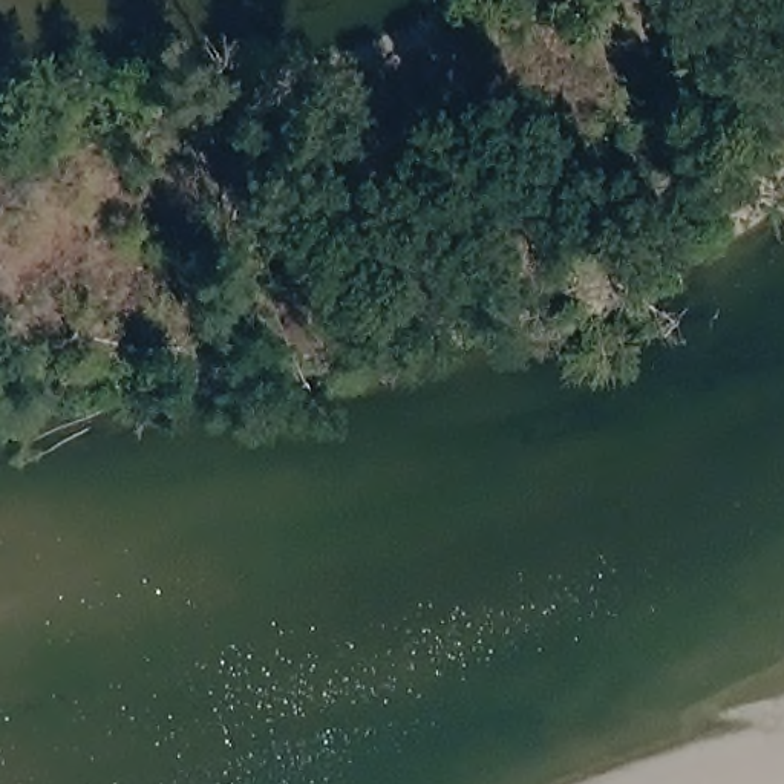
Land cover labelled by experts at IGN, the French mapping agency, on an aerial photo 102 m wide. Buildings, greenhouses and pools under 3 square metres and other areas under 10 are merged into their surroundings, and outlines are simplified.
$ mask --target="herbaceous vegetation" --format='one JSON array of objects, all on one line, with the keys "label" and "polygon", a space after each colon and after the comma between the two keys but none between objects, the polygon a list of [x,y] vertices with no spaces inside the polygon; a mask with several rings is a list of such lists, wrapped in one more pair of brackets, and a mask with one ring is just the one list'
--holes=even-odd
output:
[{"label": "herbaceous vegetation", "polygon": [[609,279],[603,276],[597,260],[579,257],[573,263],[573,273],[567,276],[564,294],[579,297],[579,303],[588,306],[588,312],[606,315],[619,294],[609,291]]},{"label": "herbaceous vegetation", "polygon": [[637,319],[646,343],[671,337],[677,331],[677,319],[655,306],[646,319]]},{"label": "herbaceous vegetation", "polygon": [[[165,172],[150,187],[147,224],[132,230],[129,236],[101,236],[98,208],[116,196],[119,181],[110,156],[98,156],[95,144],[80,147],[74,159],[67,156],[58,165],[49,162],[43,175],[46,181],[40,184],[25,184],[21,178],[0,184],[0,294],[9,297],[12,309],[12,315],[6,315],[6,331],[15,337],[28,334],[34,346],[46,343],[52,355],[89,355],[92,343],[116,346],[119,358],[129,364],[138,358],[138,349],[162,349],[165,343],[172,346],[172,352],[199,352],[196,404],[202,413],[211,417],[217,395],[224,395],[230,386],[230,374],[224,364],[224,352],[214,343],[196,349],[187,340],[187,322],[178,312],[175,270],[181,260],[190,260],[193,251],[202,248],[214,248],[221,254],[221,233],[211,233],[211,227],[202,221],[202,208],[214,205],[214,211],[224,214],[224,227],[230,233],[242,227],[236,217],[239,211],[227,193],[230,187],[248,184],[245,153],[233,150],[239,123],[260,123],[263,132],[279,129],[306,95],[325,92],[322,86],[331,64],[328,58],[309,58],[303,52],[294,52],[282,64],[282,74],[242,77],[239,83],[239,98],[230,101],[211,126],[205,123],[178,132],[178,144],[172,144],[172,153],[165,156]],[[141,266],[141,245],[147,236],[156,245],[162,245],[162,270],[156,276]]]},{"label": "herbaceous vegetation", "polygon": [[300,331],[312,291],[285,266],[285,257],[276,257],[270,263],[273,282],[279,288],[273,297],[266,297],[263,291],[254,294],[257,322],[288,346],[288,371],[300,380],[300,389],[309,392],[309,377],[322,374],[331,364],[334,349],[325,349],[325,334],[303,337]]},{"label": "herbaceous vegetation", "polygon": [[545,25],[527,31],[524,46],[515,46],[502,34],[490,37],[502,55],[505,70],[515,74],[521,86],[557,92],[554,113],[560,135],[573,141],[573,156],[591,178],[616,178],[625,172],[631,156],[619,150],[619,126],[628,119],[643,123],[640,150],[655,162],[658,113],[652,107],[652,77],[662,74],[662,64],[649,58],[649,37],[637,0],[622,0],[628,12],[628,28],[613,28],[609,46],[594,64],[576,58],[573,49],[557,37],[557,31]]},{"label": "herbaceous vegetation", "polygon": [[560,340],[536,340],[530,346],[530,358],[554,358],[564,364],[570,352],[582,352],[579,331]]}]

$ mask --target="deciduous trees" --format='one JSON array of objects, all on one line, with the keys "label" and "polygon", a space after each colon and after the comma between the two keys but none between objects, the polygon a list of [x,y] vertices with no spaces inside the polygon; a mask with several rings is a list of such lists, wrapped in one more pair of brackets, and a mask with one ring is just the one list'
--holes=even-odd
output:
[{"label": "deciduous trees", "polygon": [[31,74],[25,80],[12,77],[6,83],[6,92],[0,92],[0,184],[21,178],[25,184],[40,184],[46,181],[43,175],[49,162],[58,165],[67,156],[74,159],[80,147],[95,144],[98,156],[110,156],[119,181],[116,196],[98,208],[101,236],[129,236],[132,230],[147,224],[150,187],[165,172],[165,156],[172,153],[172,144],[178,144],[178,132],[205,123],[211,126],[230,101],[239,98],[239,83],[230,83],[221,67],[199,67],[187,52],[190,46],[181,40],[172,43],[162,55],[150,52],[144,61],[129,58],[123,64],[110,64],[95,49],[92,37],[80,37],[74,52],[31,61]]},{"label": "deciduous trees", "polygon": [[12,309],[9,297],[0,294],[0,450],[9,441],[15,441],[18,453],[12,466],[28,466],[34,462],[31,441],[40,438],[49,420],[92,420],[101,413],[123,426],[178,435],[187,429],[187,420],[196,404],[199,352],[172,352],[172,346],[165,343],[162,349],[138,349],[138,358],[129,364],[119,358],[116,346],[92,343],[89,355],[52,355],[46,343],[34,346],[28,334],[15,337],[6,331],[6,315],[12,315]]},{"label": "deciduous trees", "polygon": [[141,245],[141,266],[156,276],[162,270],[162,245],[156,245],[147,236]]},{"label": "deciduous trees", "polygon": [[[312,404],[309,392],[300,389],[300,380],[288,371],[288,346],[257,322],[254,294],[263,291],[266,297],[273,297],[279,288],[273,282],[270,263],[276,257],[285,257],[285,266],[312,291],[300,331],[303,337],[325,334],[325,349],[334,349],[331,364],[322,374],[331,383],[328,395],[361,395],[377,383],[417,386],[423,380],[441,380],[466,361],[466,349],[484,349],[499,371],[521,371],[530,358],[530,346],[536,340],[560,340],[579,331],[582,352],[570,352],[564,364],[564,377],[582,386],[603,386],[606,380],[631,383],[640,374],[640,349],[646,343],[637,319],[646,319],[655,306],[658,300],[683,294],[686,279],[695,266],[726,257],[732,242],[738,239],[732,230],[732,211],[747,205],[747,196],[756,196],[760,205],[772,205],[775,196],[784,193],[784,0],[637,0],[649,37],[649,58],[662,64],[662,74],[652,77],[652,107],[658,113],[655,162],[640,150],[643,123],[628,119],[619,126],[619,150],[631,156],[625,172],[616,178],[591,178],[573,156],[573,141],[560,135],[554,113],[557,92],[521,86],[508,92],[508,98],[499,98],[487,107],[441,110],[435,119],[423,119],[407,138],[407,150],[395,175],[383,184],[374,184],[374,172],[361,162],[361,135],[371,129],[371,92],[352,55],[343,52],[337,64],[331,64],[322,86],[325,92],[306,95],[279,129],[263,132],[260,123],[239,123],[233,150],[245,153],[248,184],[230,187],[227,193],[239,211],[236,217],[242,227],[230,233],[224,227],[224,214],[214,211],[214,205],[202,208],[202,221],[211,227],[211,233],[221,233],[221,254],[214,248],[202,248],[193,251],[190,260],[181,260],[175,270],[178,312],[187,322],[187,340],[196,349],[214,343],[224,352],[224,364],[230,374],[230,386],[224,395],[217,395],[211,417],[211,435],[233,435],[248,447],[270,444],[276,438],[340,441],[349,429],[346,410],[325,413]],[[588,306],[579,303],[579,297],[564,294],[567,276],[573,273],[573,263],[579,257],[597,260],[603,276],[609,279],[609,291],[619,294],[606,315],[588,312]]]},{"label": "deciduous trees", "polygon": [[573,49],[576,58],[594,64],[609,46],[613,28],[628,28],[628,12],[622,0],[450,0],[447,21],[453,28],[475,21],[484,25],[490,37],[502,34],[515,46],[524,46],[527,31],[545,25],[557,31],[557,37]]}]

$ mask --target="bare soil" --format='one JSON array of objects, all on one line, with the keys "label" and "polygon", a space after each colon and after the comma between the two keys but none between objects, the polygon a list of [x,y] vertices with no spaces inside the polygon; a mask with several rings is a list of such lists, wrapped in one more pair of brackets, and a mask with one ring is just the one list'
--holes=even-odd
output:
[{"label": "bare soil", "polygon": [[732,211],[732,230],[738,239],[766,221],[763,211],[753,211],[747,205]]},{"label": "bare soil", "polygon": [[726,720],[750,720],[747,732],[704,738],[579,784],[784,784],[784,695],[729,707]]}]

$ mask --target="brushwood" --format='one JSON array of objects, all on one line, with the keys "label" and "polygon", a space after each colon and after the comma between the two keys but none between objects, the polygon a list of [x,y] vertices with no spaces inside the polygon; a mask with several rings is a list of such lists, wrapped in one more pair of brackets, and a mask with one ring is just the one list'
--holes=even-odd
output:
[{"label": "brushwood", "polygon": [[766,221],[784,221],[784,193],[775,196],[772,205],[760,205],[756,196],[747,196],[747,205],[753,211],[763,211]]}]

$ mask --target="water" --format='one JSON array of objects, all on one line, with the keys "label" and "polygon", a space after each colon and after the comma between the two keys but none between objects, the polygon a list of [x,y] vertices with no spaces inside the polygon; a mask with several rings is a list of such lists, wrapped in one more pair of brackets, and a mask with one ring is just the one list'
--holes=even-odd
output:
[{"label": "water", "polygon": [[34,462],[28,466],[12,466],[18,453],[15,441],[9,441],[0,450],[0,784],[579,784],[704,738],[747,732],[750,720],[726,720],[729,707],[784,695],[784,221],[766,221],[738,239],[732,242],[726,257],[695,266],[686,279],[683,294],[658,300],[655,306],[677,319],[677,331],[671,337],[646,343],[640,349],[640,374],[631,383],[606,380],[603,386],[582,386],[564,377],[564,364],[554,358],[530,358],[521,371],[499,371],[484,349],[466,349],[466,361],[441,380],[423,380],[417,386],[377,383],[361,395],[328,395],[331,383],[322,374],[309,377],[309,392],[312,404],[325,413],[346,410],[349,429],[340,441],[276,438],[270,444],[248,447],[233,435],[211,435],[211,417],[202,413],[196,404],[187,420],[187,429],[178,435],[123,426],[101,413],[92,420],[49,420],[40,438],[31,441]]},{"label": "water", "polygon": [[6,83],[12,77],[25,80],[31,74],[31,61],[74,52],[80,37],[92,37],[95,49],[110,64],[123,64],[129,58],[144,61],[150,52],[162,55],[172,43],[181,40],[190,46],[187,52],[199,67],[221,67],[230,83],[239,83],[242,77],[282,74],[282,64],[294,52],[303,52],[309,58],[328,58],[331,64],[337,64],[343,52],[352,55],[371,92],[371,129],[361,135],[361,162],[374,172],[374,184],[383,184],[395,175],[407,150],[407,138],[423,119],[435,119],[441,110],[487,107],[499,98],[508,98],[508,92],[521,86],[515,74],[505,70],[502,55],[490,37],[484,25],[475,21],[453,28],[447,21],[450,0],[0,0],[0,92],[6,92]]}]

